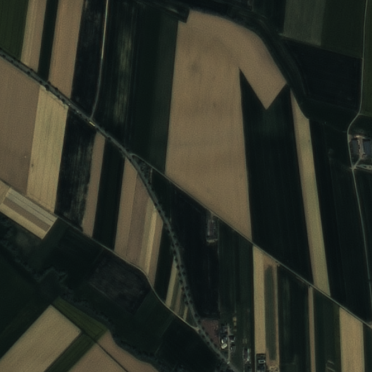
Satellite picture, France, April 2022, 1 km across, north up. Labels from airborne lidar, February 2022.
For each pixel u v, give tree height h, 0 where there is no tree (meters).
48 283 0
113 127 0
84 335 0
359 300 0
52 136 0
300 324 0
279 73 0
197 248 0
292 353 0
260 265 0
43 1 0
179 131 0
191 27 0
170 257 0
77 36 0
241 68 0
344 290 0
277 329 0
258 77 0
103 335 0
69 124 0
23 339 0
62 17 0
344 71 0
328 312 0
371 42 0
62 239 0
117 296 0
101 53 0
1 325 0
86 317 0
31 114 0
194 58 0
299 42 0
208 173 0
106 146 0
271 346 0
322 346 0
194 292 0
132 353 0
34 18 0
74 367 0
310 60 0
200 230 0
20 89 0
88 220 0
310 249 0
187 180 0
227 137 0
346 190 0
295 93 0
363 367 0
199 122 0
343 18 0
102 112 0
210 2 0
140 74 0
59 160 0
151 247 0
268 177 0
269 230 0
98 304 0
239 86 0
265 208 0
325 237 0
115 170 0
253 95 0
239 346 0
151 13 0
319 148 0
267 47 0
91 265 0
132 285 0
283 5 0
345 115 0
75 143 0
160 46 0
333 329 0
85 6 0
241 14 0
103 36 0
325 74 0
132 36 0
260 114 0
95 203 0
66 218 0
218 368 9
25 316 0
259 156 0
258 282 0
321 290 0
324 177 0
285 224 0
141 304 0
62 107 0
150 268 0
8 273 0
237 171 0
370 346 0
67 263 0
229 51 0
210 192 0
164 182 0
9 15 0
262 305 0
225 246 0
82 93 0
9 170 0
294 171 0
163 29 0
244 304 0
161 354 0
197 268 0
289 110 0
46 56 0
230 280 0
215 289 0
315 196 0
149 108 0
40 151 0
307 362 0
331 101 0
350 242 0
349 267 0
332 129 0
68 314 0
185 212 0
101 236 0
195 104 0
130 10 0
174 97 0
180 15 0
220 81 0
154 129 0
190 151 0
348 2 0
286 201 0
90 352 0
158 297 0
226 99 0
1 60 0
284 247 0
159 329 0
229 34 0
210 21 0
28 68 0
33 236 0
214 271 0
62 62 0
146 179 11
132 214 0
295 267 0
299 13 0
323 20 0
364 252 0
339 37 0
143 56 0
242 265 0
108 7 0
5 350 0
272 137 0
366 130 0
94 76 0
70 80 0
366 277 0
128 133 0
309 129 0
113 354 0
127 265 0
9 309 0
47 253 0
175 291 0
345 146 0
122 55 0
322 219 0
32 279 0
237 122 0
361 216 0
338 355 0
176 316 0
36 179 0
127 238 0
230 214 0
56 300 0
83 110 0
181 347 0
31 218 0
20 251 0
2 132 0
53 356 0
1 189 0
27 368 0
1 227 0
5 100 0
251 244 0
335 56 0
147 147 0
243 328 0
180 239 0
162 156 0
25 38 0
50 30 0
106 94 0
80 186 0
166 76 0
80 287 0
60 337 0
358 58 0
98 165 0
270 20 0
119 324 0
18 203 0
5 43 0
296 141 0
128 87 0
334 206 0
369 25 0
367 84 0
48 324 0
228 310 0
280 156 0
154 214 0
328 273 0
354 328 0
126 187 0
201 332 8
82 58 0
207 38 0
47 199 0
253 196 0
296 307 0
